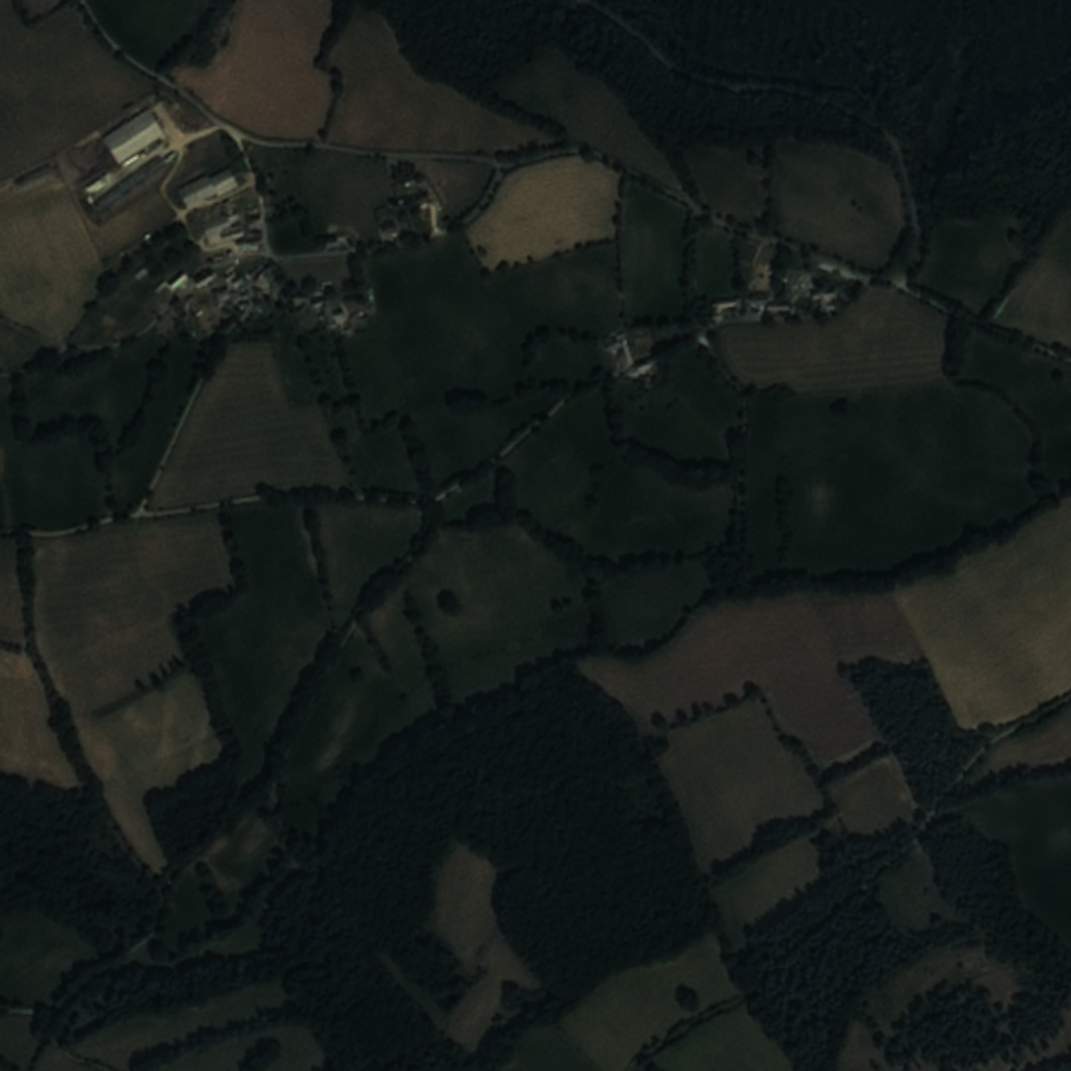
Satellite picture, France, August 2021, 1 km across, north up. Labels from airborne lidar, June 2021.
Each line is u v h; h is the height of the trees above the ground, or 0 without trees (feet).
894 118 19
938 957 0
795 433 0
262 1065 35
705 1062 0
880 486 0
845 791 0
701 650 0
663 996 0
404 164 22
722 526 0
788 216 0
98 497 0
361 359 0
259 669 0
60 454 0
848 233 0
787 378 0
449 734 67
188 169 0
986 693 0
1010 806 0
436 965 59
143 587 0
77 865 32
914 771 37
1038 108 66
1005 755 0
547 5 43
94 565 0
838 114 43
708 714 38
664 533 0
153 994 39
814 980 63
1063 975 23
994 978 0
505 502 60
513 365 0
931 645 0
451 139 0
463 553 0
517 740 53
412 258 0
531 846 58
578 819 62
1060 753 0
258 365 0
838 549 0
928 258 35
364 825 49
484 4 59
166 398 0
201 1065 0
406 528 0
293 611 0
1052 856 0
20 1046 0
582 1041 0
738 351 0
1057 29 0
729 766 0
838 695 0
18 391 32
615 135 0
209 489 0
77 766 25
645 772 58
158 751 0
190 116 0
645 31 31
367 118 0
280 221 26
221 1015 0
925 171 39
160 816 55
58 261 0
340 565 0
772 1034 44
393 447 0
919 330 0
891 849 35
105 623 0
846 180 0
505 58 57
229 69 0
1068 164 47
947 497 0
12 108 0
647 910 62
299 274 0
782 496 28
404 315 0
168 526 0
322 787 0
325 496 50
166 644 0
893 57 30
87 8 26
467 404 71
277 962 57
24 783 55
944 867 49
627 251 0
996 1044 57
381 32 0
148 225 0
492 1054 63
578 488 0
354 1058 61
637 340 0
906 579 50
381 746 0
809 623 0
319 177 0
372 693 0
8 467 0
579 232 0
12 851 65
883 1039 38
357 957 67
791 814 0
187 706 0
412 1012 65
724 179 0
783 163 0
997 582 0
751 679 0
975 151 74
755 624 0
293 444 0
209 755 0
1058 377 35
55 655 0
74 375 39
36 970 0
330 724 0
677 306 0
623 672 0
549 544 45
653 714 0
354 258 36
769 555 0
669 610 0
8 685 0
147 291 0
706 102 46
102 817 29
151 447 0
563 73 0
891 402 0
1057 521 0
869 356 0
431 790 34
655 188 35
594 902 59
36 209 0
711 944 0
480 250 22
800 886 0
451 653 0
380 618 0
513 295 0
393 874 59
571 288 0
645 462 66
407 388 0
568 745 62
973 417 0
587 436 0
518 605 0
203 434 0
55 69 0
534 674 54
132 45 0
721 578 44
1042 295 0
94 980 44
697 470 62
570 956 73
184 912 0
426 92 0
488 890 0
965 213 45
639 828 56
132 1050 0
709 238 0
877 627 0
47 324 0
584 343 31
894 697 48
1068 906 0
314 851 49
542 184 0
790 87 27
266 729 0
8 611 0
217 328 18
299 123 0
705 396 0
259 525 0
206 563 0
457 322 0
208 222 0
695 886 52
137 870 31
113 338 0
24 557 34
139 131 0
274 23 0
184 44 31
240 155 35
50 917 43
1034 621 0
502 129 0
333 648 56
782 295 34
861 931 52
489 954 0
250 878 0
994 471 0
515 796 47
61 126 0
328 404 43
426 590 0
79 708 0
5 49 0
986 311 24
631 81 49
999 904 31
